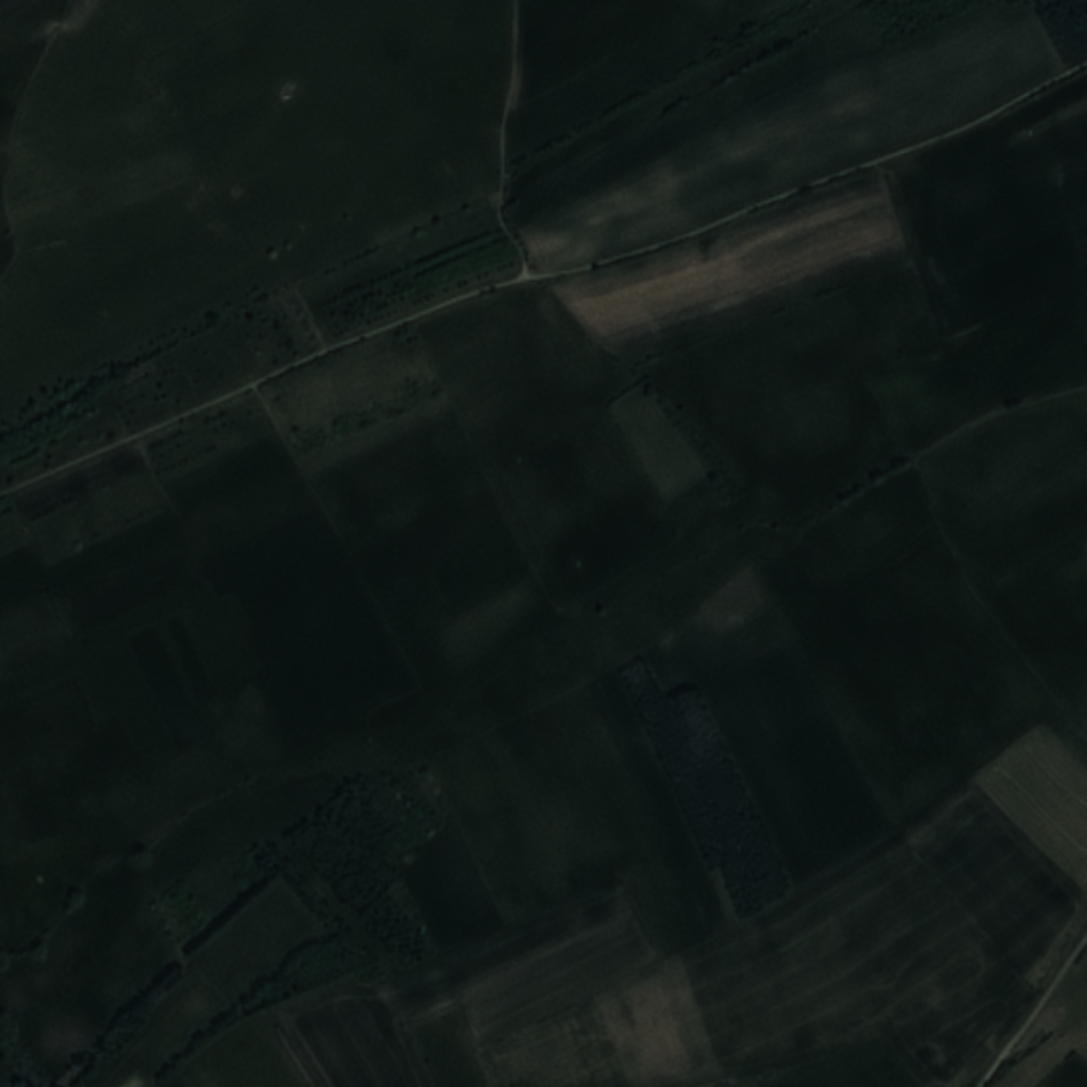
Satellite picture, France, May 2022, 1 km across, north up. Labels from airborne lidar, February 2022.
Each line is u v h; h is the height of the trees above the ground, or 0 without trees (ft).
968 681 0
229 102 0
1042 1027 0
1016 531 0
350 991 0
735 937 0
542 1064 0
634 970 0
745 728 0
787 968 0
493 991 0
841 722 0
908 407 0
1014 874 0
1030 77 0
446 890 0
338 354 19
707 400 0
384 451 0
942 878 0
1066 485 0
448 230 0
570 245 0
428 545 0
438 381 0
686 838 0
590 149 0
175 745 0
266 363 0
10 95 0
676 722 40
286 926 0
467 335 0
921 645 0
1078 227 0
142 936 0
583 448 0
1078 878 0
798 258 0
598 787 0
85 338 0
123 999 0
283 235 0
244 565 0
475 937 0
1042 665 0
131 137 0
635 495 0
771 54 31
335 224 0
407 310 0
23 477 0
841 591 0
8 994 0
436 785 0
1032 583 0
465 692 0
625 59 0
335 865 25
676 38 0
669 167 0
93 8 0
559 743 0
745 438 0
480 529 0
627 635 0
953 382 0
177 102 0
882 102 0
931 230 0
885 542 0
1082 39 39
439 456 0
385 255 0
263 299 21
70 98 0
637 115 0
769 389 0
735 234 0
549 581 0
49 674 0
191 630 0
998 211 0
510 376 0
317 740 0
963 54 0
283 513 0
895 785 0
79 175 0
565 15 0
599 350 0
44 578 0
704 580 0
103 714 0
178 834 0
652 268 0
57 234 0
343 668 0
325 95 0
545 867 0
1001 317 0
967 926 0
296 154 0
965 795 0
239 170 0
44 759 0
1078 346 0
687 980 0
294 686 0
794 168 0
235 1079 0
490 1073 0
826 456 0
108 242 0
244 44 0
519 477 0
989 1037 0
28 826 0
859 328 0
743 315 0
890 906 0
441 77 0
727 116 0
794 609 0
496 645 0
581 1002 0
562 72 0
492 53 0
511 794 0
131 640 0
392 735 0
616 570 0
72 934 0
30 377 0
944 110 0
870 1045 0
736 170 0
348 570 0
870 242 0
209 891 0
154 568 0
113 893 0
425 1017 0
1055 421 0
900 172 0
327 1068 0
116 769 0
